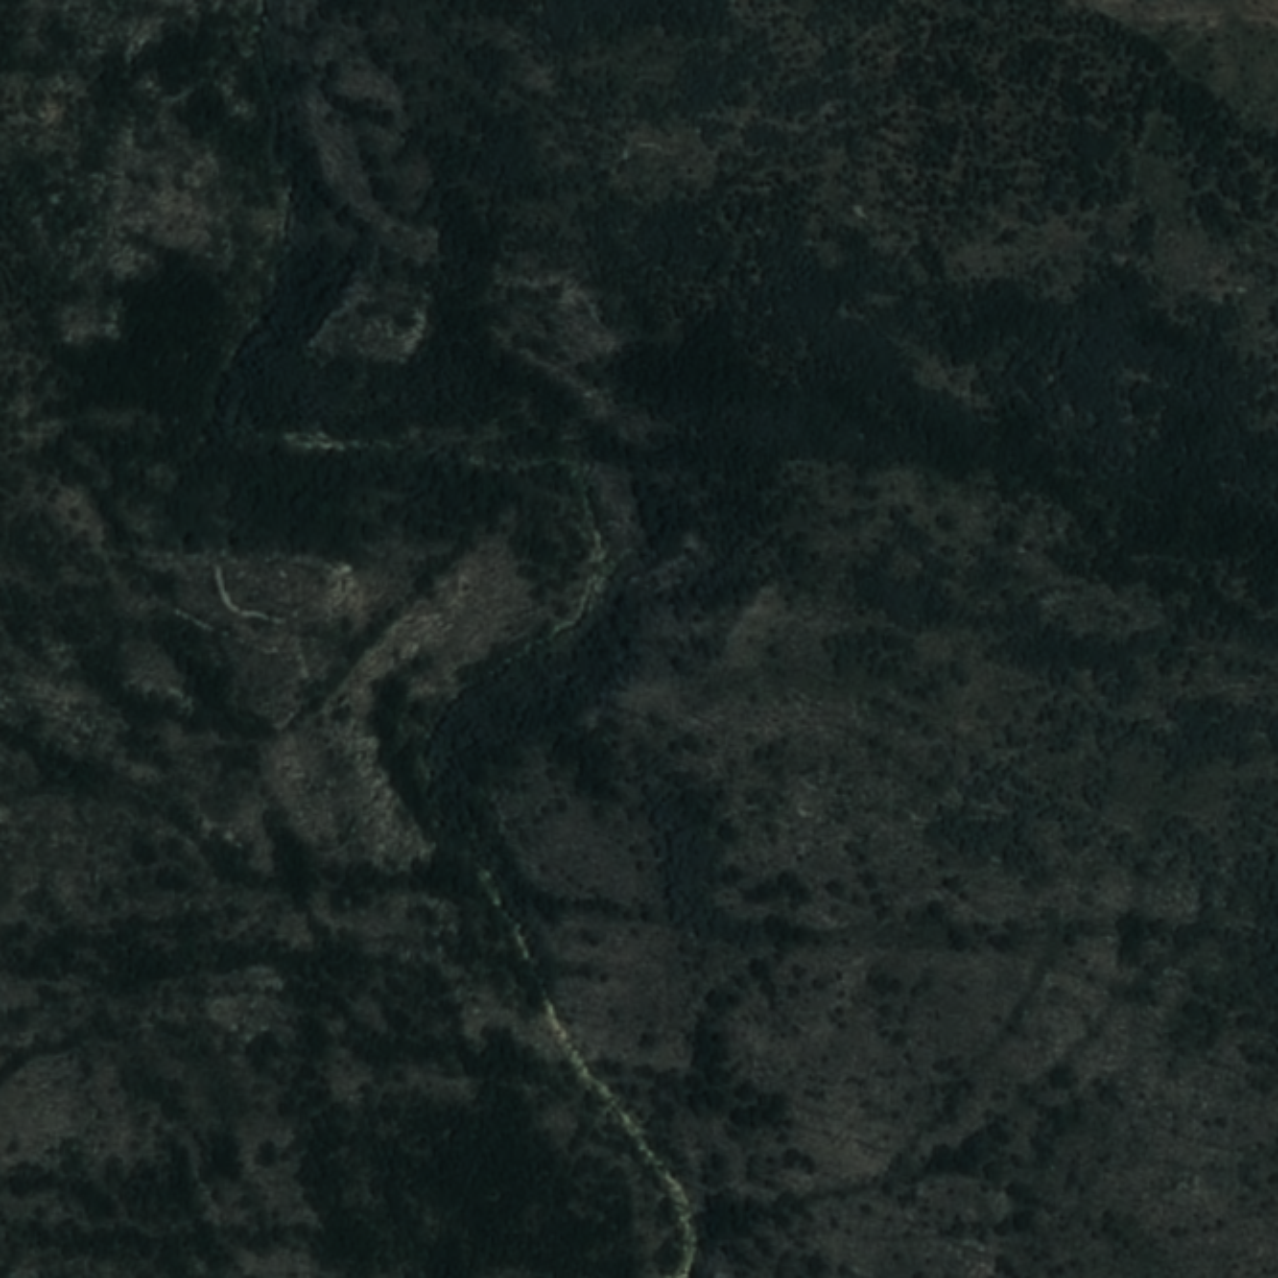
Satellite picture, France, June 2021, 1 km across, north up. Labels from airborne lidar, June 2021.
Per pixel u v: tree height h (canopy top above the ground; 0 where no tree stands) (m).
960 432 12
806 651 0
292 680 0
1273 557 8
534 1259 8
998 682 0
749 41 8
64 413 9
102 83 10
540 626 8
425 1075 0
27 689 0
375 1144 6
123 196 0
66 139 0
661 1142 7
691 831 11
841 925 0
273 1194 0
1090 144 10
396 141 0
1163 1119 0
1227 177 7
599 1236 7
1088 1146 0
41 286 9
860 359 7
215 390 6
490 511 8
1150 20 0
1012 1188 7
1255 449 10
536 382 10
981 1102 0
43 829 0
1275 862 11
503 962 6
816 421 11
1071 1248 0
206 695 7
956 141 11
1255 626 9
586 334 0
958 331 9
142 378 12
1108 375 12
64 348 9
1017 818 8
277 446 11
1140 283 9
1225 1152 0
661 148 0
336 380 10
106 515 10
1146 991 5
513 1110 9
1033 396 10
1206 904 8
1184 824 7
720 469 8
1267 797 7
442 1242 8
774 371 8
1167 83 7
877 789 0
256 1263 0
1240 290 0
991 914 0
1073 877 0
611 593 7
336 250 7
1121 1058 0
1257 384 8
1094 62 7
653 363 11
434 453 11
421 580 7
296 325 11
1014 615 7
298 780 0
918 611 10
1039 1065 0
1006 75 7
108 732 0
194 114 9
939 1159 10
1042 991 0
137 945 8
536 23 7
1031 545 7
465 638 0
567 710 9
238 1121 0
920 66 8
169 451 11
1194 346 8
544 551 8
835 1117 0
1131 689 7
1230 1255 0
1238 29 0
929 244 9
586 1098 9
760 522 6
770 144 7
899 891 0
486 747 13
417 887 6
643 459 9
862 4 7
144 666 0
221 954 7
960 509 0
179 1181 7
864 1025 0
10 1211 0
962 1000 0
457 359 11
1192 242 0
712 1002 10
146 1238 7
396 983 7
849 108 10
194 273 9
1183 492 7
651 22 9
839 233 6
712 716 0
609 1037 0
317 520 9
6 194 11
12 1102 0
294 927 0
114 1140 0
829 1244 0
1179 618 7
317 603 0
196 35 6
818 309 8
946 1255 0
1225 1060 0
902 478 0
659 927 0
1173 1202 0
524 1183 8
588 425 11
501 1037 7
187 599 0
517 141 8
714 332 7
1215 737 9
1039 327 8
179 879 6
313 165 9
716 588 8
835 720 0
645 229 8
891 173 7
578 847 0
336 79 6
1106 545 6
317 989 7
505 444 7
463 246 8
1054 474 9
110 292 11
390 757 12
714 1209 12
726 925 10
